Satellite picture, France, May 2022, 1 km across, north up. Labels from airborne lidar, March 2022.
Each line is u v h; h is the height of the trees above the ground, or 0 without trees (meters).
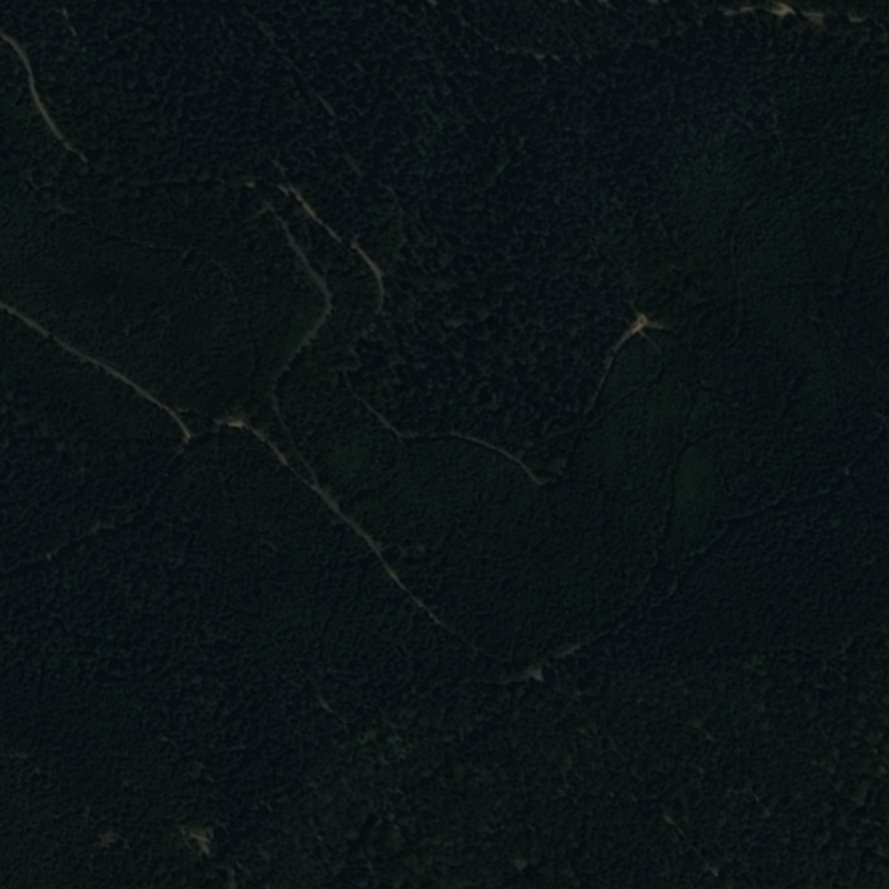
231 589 20
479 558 12
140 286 9
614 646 21
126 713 17
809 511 22
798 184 14
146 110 22
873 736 27
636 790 29
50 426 25
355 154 31
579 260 10
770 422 16
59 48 22
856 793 34
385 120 16
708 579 26
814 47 12
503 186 28
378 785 22
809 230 10
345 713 21
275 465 17
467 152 34
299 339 9
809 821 21
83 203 12
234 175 28
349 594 18
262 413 17
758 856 20
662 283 14
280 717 21
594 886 32
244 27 33
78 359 8
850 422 14
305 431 10
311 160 30
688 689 21
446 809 30
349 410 14
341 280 12
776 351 11
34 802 8
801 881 26
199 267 12
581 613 9
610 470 8
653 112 35
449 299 22
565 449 16
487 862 24
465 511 15
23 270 9
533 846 30
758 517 22
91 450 24
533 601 12
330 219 27
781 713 20
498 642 19
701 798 22
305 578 15
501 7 38
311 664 13
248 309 10
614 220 30
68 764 19
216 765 26
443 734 19
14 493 23
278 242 22
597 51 10
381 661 20
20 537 27
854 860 29
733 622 24
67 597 27
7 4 24
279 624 12
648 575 9
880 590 20
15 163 20
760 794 21
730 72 33
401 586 14
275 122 26
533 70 38
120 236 6
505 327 25
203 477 11
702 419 10
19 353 9
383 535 11
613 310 8
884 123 8
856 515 26
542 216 28
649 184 33
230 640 23
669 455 10
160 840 19
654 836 28
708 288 14
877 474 24
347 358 16
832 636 26
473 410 14
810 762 16
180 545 26
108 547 22
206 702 26
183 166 23
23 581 26
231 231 12
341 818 26
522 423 17
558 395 19
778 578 22
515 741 27
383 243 11
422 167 27
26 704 20
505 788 29
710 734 21
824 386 9
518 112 31
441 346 33
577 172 32
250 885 10
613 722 27
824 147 10
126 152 30
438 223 32
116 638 27
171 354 6
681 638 16
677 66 7
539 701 26
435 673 22
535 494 15
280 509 16
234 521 9
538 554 19
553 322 26
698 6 40
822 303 17
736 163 9
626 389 8
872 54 15
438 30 28
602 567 8
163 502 20
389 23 35
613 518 17
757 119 12
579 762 25
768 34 8
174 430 13
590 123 33
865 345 14
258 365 13
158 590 27
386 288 11
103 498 20
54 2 20
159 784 20
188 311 9
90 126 24
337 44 33
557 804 33
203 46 33
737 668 23
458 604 22
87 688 13
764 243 8
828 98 12
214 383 13
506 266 38
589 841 31
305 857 29
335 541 18
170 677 28
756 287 8
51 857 8
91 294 8
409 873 32
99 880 10
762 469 7
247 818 25
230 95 28
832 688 21
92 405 11
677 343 11
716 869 10
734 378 13
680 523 12
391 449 10
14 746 15
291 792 26
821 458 11
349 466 7
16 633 26
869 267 20
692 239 8
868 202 15
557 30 7
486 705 14
